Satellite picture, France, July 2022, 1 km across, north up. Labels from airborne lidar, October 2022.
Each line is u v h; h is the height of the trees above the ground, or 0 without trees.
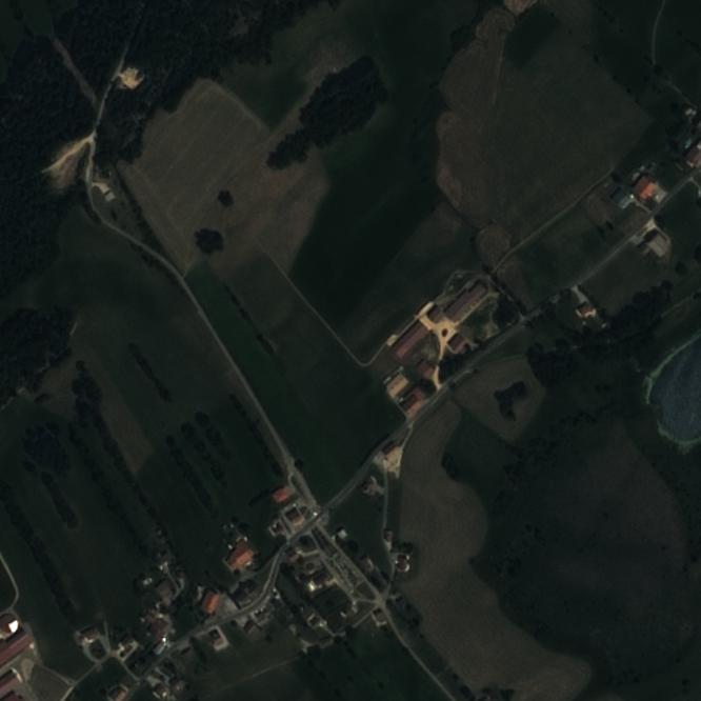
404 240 0
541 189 0
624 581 0
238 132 0
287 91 0
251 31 9
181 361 0
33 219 10
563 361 11
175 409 0
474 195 0
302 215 0
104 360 0
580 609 0
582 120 0
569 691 0
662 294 16
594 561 0
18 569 0
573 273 0
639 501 0
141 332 0
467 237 0
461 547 0
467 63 0
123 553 0
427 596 0
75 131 13
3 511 0
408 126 0
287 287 0
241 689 0
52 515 0
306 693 0
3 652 0
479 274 0
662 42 0
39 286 0
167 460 0
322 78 0
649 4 0
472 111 0
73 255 0
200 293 0
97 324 0
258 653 0
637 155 0
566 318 0
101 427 18
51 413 0
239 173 0
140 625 0
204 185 0
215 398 0
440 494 0
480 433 0
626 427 0
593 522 0
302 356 0
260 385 0
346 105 20
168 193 0
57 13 9
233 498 0
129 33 15
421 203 0
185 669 0
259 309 0
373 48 0
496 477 0
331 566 0
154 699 0
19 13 9
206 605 0
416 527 0
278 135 0
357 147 0
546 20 0
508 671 0
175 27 16
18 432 0
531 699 0
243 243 0
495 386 0
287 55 0
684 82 0
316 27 0
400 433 0
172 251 0
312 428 0
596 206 0
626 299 0
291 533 0
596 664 0
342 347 0
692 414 0
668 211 0
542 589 0
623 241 0
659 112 0
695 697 0
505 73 0
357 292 0
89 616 0
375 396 0
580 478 0
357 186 0
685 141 0
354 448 0
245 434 0
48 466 18
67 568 0
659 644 0
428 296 0
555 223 0
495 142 0
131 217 0
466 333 0
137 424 0
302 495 0
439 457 0
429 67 0
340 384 0
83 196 23
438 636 0
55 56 22
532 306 0
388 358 0
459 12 0
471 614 0
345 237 0
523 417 0
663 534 0
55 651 0
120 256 0
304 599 8
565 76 0
